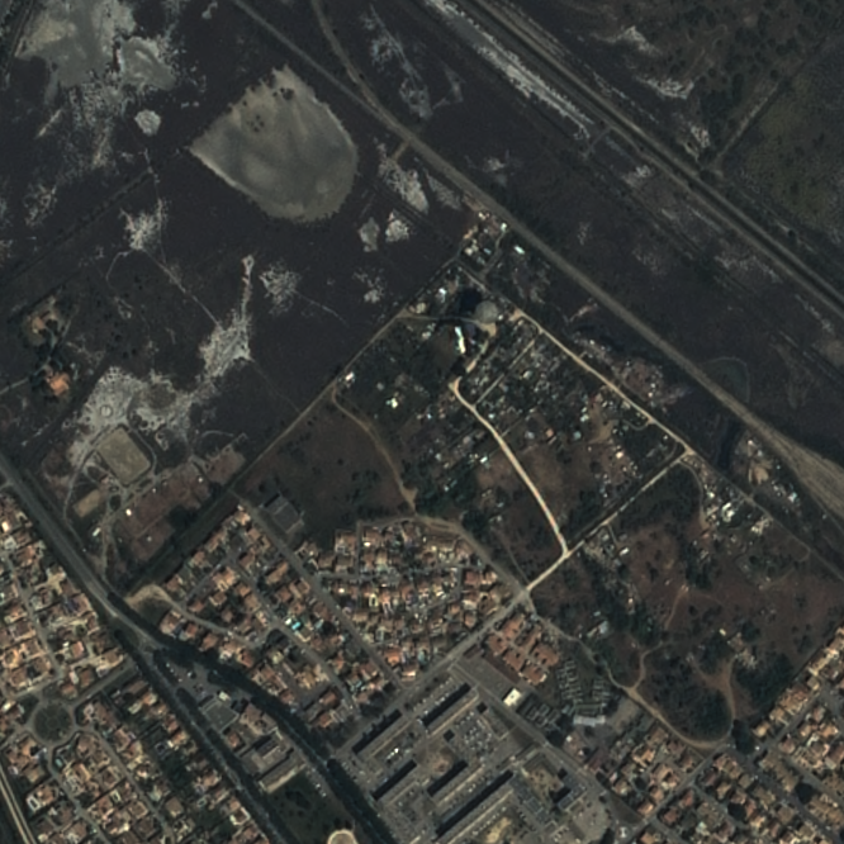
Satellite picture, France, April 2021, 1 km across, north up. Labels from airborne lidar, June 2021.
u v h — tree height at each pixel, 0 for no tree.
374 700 18
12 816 0
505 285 7
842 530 0
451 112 0
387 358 6
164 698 11
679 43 0
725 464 0
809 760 0
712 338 0
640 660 0
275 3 0
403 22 0
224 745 9
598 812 0
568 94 0
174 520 0
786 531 0
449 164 0
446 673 0
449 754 0
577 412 0
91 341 0
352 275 0
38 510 0
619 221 0
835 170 0
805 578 0
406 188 0
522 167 0
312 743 12
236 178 0
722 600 0
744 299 0
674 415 6
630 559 0
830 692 0
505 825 0
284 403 0
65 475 0
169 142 0
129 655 9
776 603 0
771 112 0
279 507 0
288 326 0
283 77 0
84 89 0
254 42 0
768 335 0
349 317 0
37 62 0
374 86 0
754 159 0
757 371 0
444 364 0
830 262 0
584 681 0
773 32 0
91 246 0
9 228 0
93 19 0
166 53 0
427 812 0
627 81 0
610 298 0
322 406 0
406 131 0
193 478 0
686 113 0
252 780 10
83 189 0
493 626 0
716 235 0
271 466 0
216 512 0
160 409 0
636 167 0
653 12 0
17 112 0
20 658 0
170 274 0
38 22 0
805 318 0
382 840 8
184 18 0
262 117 0
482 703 0
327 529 0
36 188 0
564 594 0
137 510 0
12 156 0
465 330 9
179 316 0
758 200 0
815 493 0
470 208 0
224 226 0
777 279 0
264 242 0
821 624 0
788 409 0
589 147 0
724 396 0
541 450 0
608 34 0
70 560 0
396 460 0
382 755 0
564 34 0
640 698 0
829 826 7
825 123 0
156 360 0
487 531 16
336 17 0
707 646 7
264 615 0
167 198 0
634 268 0
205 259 0
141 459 0
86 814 0
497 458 0
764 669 12
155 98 0
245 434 0
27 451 0
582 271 0
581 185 0
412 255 0
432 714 0
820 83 0
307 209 0
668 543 0
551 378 7
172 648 11
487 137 0
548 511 0
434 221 0
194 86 0
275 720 11
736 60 6
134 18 0
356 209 0
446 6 0
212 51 0
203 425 0
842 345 0
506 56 0
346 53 0
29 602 0
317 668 0
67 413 0
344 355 0
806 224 0
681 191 0
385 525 0
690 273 0
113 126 0
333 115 0
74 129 0
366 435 0
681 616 0
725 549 9
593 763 0
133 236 0
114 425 0
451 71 0
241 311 0
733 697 0
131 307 0
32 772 0
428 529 0
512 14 0
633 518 7
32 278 0
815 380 0
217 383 0
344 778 13
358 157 0
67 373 9
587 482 0
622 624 6
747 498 0
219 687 8
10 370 0
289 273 0
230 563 0
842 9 0
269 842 8
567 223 0
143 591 0
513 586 0
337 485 0
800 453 0
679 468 6
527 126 0
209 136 0
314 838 0
